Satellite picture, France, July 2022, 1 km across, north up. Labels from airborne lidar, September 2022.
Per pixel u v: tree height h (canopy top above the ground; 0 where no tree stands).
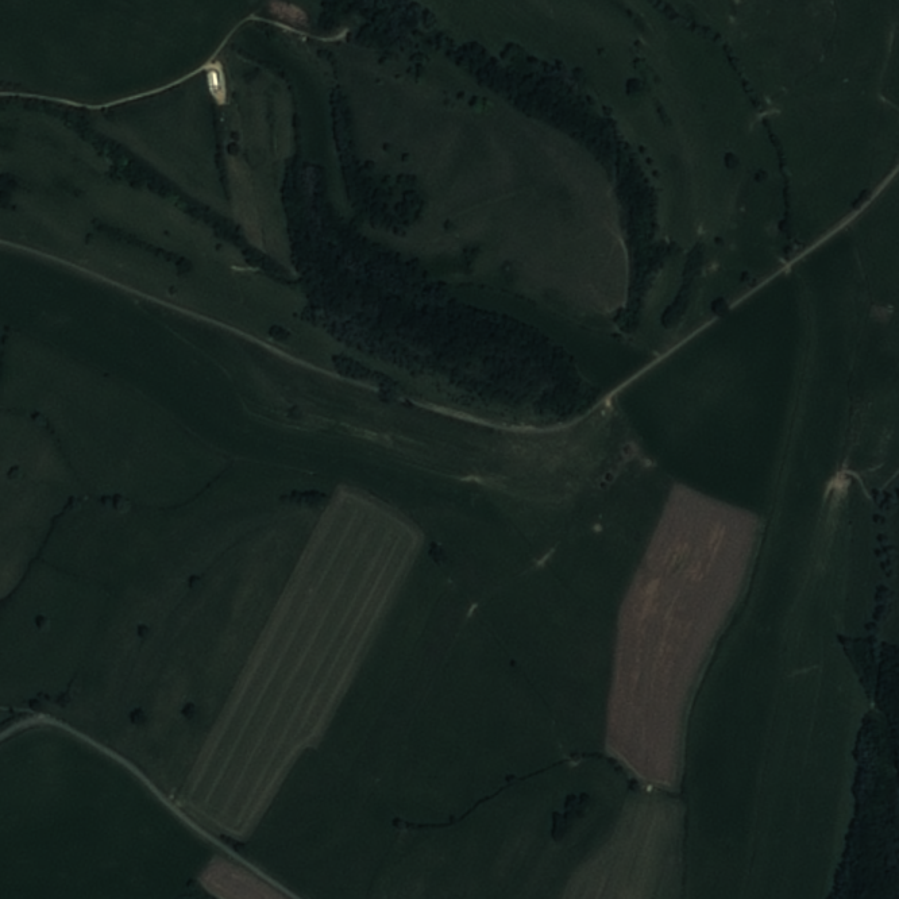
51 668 0
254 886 0
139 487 0
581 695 0
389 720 0
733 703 0
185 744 0
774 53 0
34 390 0
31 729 0
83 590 0
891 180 0
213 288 0
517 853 0
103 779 0
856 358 0
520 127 0
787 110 0
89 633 0
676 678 0
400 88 0
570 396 12
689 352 0
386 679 0
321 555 0
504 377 10
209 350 0
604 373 0
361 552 0
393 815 0
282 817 0
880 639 14
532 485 0
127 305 0
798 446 0
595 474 0
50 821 0
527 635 0
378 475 0
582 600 0
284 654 0
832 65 0
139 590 0
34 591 0
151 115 0
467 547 0
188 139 0
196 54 0
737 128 0
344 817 0
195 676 0
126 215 0
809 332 0
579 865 0
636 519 0
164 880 0
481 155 0
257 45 0
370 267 23
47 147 0
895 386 0
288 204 12
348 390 0
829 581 0
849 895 15
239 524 0
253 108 0
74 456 0
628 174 13
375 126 0
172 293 5
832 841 0
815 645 0
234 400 0
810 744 0
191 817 0
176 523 0
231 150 12
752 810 0
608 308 0
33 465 0
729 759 0
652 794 0
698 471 0
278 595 0
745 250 0
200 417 0
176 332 0
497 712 0
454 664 0
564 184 0
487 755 0
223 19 0
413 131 0
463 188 0
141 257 0
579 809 16
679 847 0
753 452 0
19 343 0
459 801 0
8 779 0
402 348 8
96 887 0
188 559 0
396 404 25
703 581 0
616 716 0
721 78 0
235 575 0
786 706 0
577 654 0
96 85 0
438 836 0
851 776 0
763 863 0
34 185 0
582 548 0
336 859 0
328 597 0
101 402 0
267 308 0
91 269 0
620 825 0
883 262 0
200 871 0
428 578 0
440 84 0
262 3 0
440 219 0
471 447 0
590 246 0
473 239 0
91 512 0
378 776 0
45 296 0
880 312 0
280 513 0
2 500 0
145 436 0
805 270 0
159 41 0
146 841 0
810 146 0
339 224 11
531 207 0
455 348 12
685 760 0
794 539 0
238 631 0
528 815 0
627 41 0
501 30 0
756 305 0
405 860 0
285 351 0
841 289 0
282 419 0
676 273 0
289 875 0
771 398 0
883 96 0
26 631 0
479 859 0
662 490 0
